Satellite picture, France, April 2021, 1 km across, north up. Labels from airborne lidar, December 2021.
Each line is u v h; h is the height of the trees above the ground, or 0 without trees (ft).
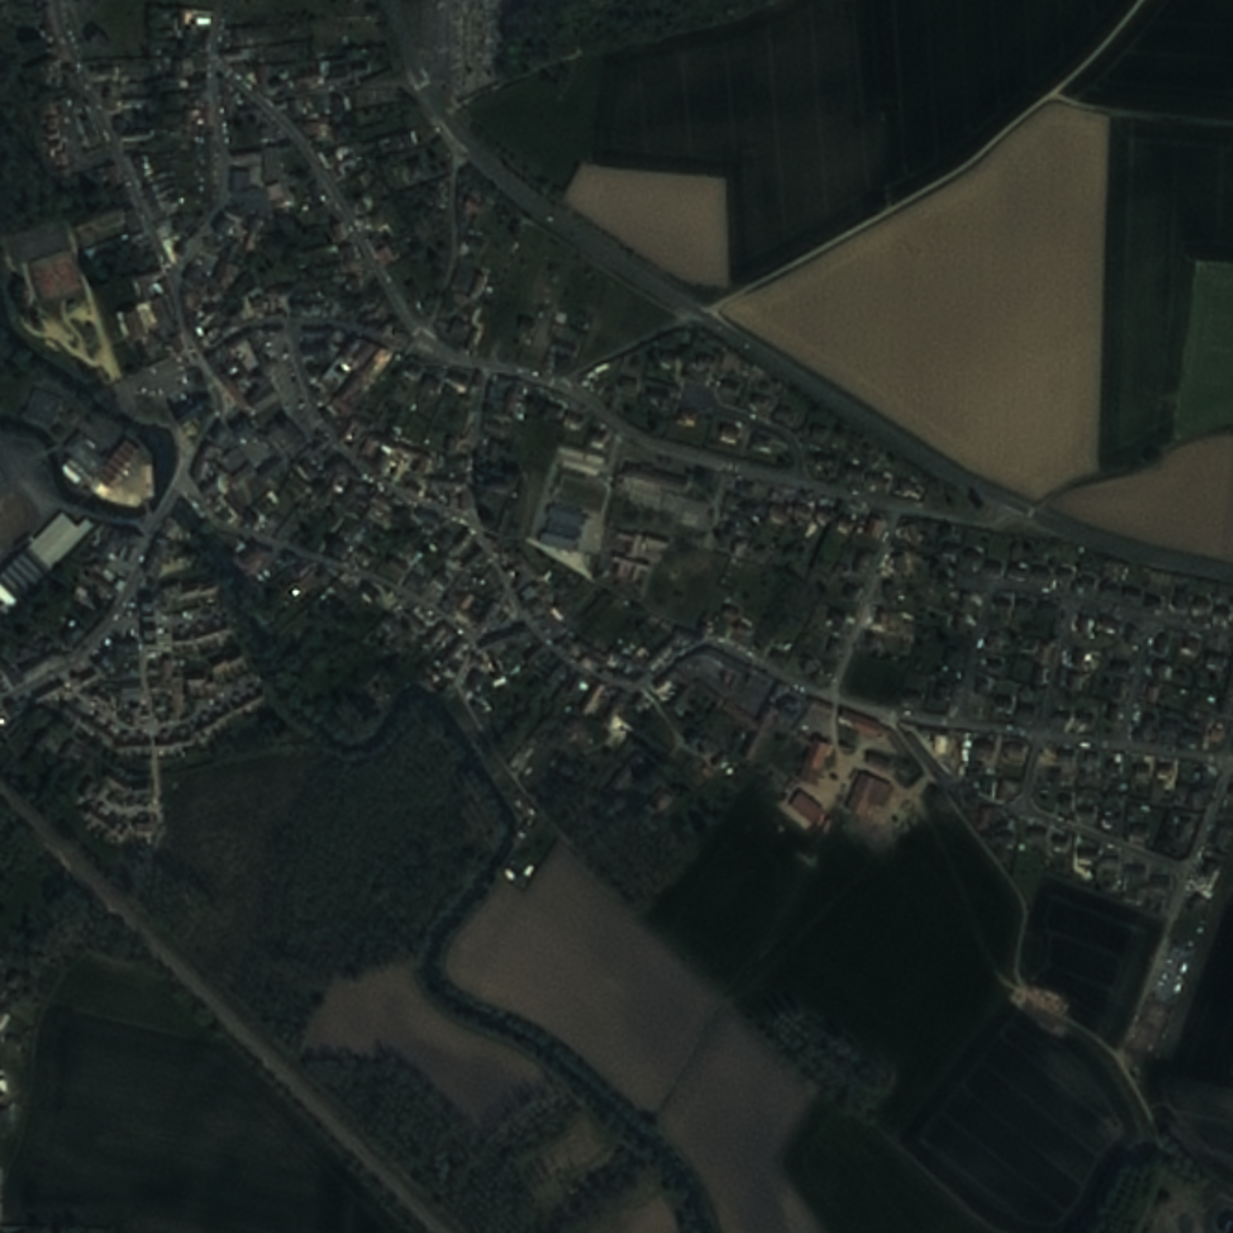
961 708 0
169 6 18
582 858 90
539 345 0
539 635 0
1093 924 0
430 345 0
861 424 0
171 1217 0
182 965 0
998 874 0
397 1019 0
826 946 0
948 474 0
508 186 0
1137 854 0
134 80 0
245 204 0
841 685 0
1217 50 0
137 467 0
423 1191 64
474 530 0
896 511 0
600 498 0
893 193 0
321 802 33
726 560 0
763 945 0
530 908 0
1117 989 0
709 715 17
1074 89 0
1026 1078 0
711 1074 0
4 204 97
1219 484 0
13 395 0
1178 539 0
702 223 0
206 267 0
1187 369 0
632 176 0
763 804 0
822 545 23
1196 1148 0
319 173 0
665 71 0
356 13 0
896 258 0
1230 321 0
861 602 0
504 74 44
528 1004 0
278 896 48
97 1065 0
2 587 0
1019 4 0
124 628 0
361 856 31
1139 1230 68
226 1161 0
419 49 0
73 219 29
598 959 0
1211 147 0
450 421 25
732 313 0
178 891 113
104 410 46
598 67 0
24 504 0
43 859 23
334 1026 0
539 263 0
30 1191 0
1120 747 0
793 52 0
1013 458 0
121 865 0
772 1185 0
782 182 0
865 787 0
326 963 56
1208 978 0
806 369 0
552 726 36
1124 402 0
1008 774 0
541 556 19
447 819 31
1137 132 0
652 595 0
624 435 0
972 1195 0
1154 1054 0
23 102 21
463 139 0
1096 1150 0
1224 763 0
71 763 28
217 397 0
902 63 0
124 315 0
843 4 0
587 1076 41
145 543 0
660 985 0
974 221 0
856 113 0
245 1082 0
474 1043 0
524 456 0
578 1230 49
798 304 0
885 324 0
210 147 0
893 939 0
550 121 0
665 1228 0
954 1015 0
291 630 0
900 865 0
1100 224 0
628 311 0
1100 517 0
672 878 101
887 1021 0
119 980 0
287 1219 0
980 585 0
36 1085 0
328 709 23
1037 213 0
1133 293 0
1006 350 0
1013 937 0
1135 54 0
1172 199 0
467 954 0
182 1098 0
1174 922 0
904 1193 0
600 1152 0
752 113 0
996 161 0
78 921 90
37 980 31
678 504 0
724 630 0
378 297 20
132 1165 0
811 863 0
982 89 0
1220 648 0
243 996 45
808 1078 55
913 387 0
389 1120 95
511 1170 92
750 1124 0
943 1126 0
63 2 0
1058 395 0
